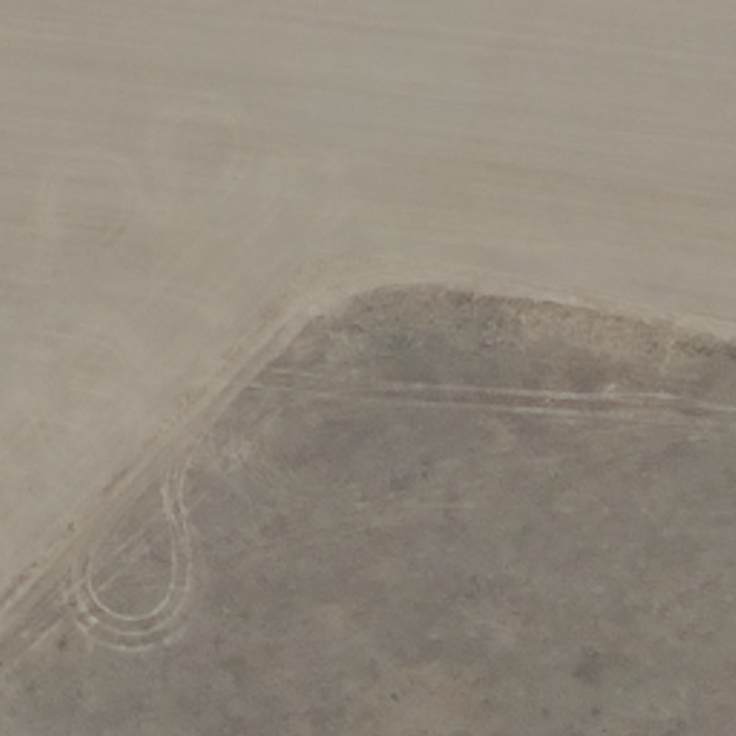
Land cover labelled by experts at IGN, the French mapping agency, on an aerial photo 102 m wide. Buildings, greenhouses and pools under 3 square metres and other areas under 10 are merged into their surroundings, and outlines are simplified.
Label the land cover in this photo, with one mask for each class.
<instances>
[{"label":"plowed land","instance_id":"1","mask_svg":"<svg viewBox=\"0 0 736 736\"><path fill-rule=\"evenodd\" d=\"M388 285H443L451 290L483 296H520L535 302H558L572 308L624 313L644 322H673V328H681L687 336L707 334L719 342L736 345V0H0V592L12 584L17 572H23L29 561H55L66 549L60 529L81 518L89 503H101V486L141 449V443L150 434L158 437V443L164 446L170 443L175 451H184L187 446H201V434L224 417L233 400L253 385L256 374L265 371L270 359L285 354L290 339L302 331V325H308L319 313L339 316L345 305L359 293H371Z\"/></svg>","mask_w":736,"mask_h":736},{"label":"agricultural land","instance_id":"2","mask_svg":"<svg viewBox=\"0 0 736 736\"><path fill-rule=\"evenodd\" d=\"M66 549L55 561H29L23 572H17L12 584L0 592V736H736V345L719 342L707 334L687 336L681 328H673V322H644L624 313L572 308L558 302H535L520 296H483L451 290L443 285H388L371 293H359L345 305L339 316L319 313L308 325H302V331L290 339L285 354L270 359L265 371L256 374L253 385L233 400L224 417L201 434V446H187L184 451H175L170 443L164 446L158 443V437L150 434L141 443V449L101 486V503H89L81 518L60 529Z\"/></svg>","mask_w":736,"mask_h":736}]
</instances>
